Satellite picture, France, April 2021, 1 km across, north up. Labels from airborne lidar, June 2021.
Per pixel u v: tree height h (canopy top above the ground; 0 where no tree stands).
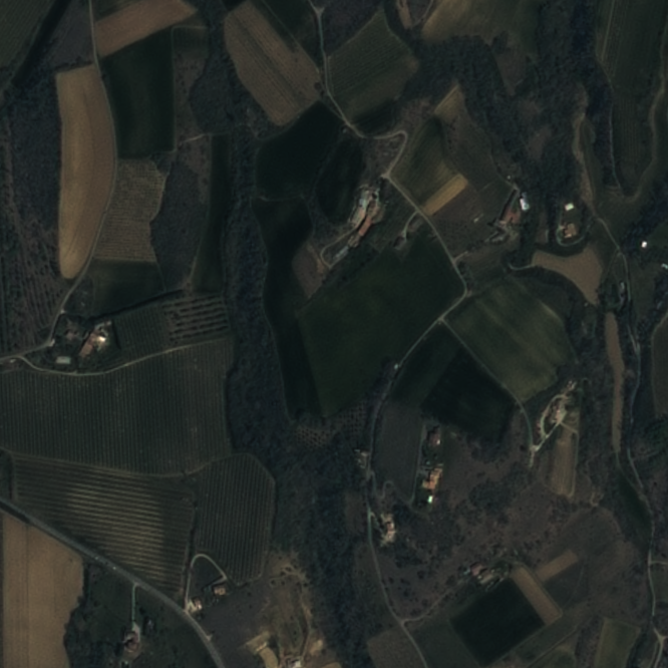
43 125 12
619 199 0
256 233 10
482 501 9
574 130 19
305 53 0
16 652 0
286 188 0
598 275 0
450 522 8
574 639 0
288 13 0
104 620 0
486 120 11
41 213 14
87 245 0
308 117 0
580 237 7
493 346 0
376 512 10
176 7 0
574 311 6
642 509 0
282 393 9
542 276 6
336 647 15
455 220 0
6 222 6
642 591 0
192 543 11
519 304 0
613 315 0
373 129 0
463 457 0
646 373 11
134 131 0
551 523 10
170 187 7
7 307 6
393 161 0
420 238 0
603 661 0
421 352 0
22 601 0
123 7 0
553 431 16
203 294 0
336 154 0
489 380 0
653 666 0
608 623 0
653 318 13
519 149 12
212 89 10
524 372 0
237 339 8
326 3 9
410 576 0
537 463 5
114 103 0
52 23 0
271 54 0
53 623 0
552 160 10
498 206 0
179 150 8
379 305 0
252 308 8
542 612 0
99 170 0
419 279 0
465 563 7
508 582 0
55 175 12
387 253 0
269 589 0
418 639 0
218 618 0
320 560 26
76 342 10
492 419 0
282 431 22
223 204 0
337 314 0
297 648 0
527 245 8
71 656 11
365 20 10
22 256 7
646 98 10
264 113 7
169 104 0
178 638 0
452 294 0
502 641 0
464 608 0
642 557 0
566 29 20
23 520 15
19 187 9
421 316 0
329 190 0
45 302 7
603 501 6
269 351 11
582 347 6
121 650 8
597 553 0
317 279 0
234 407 20
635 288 0
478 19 0
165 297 9
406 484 0
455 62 8
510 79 0
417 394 0
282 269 0
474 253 12
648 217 17
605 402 18
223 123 8
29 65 0
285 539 7
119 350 7
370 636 14
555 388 6
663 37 12
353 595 11
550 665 0
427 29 0
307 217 0
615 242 0
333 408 0
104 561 0
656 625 12
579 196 8
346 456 11
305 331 0
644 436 7
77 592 0
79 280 0
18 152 8
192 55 0
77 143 0
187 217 7
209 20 11
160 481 0
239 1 0
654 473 7
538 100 9
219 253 0
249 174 16
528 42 0
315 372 0
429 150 0
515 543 0
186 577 11
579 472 10
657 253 11
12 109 13
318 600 9
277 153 0
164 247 6
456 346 0
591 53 9
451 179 0
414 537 13
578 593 0
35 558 0
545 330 0
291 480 16
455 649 0
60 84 0
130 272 0
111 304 0
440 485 0
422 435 0
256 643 0
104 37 0
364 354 0
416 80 12
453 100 0
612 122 11
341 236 0
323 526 28
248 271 11
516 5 0
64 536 0
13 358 0
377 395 18
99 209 0
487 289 0
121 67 0
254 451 18
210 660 8
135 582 0
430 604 9
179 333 5
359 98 0
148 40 0
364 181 0
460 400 0
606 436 21
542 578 0
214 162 0
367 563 0
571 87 24
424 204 0
